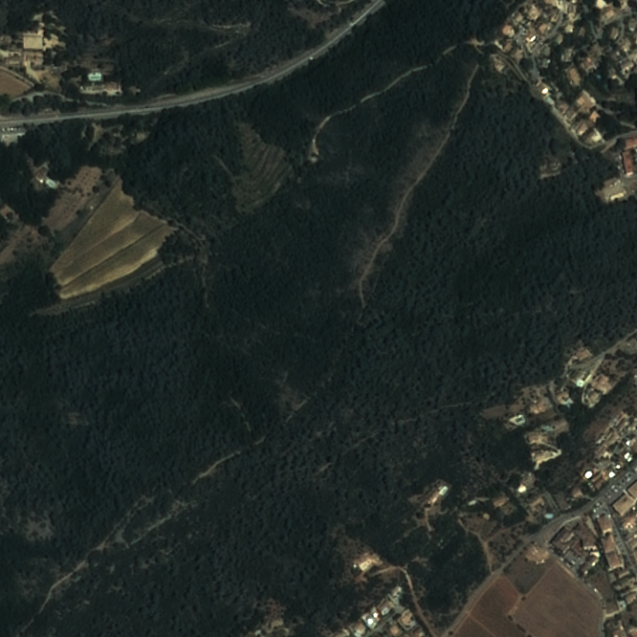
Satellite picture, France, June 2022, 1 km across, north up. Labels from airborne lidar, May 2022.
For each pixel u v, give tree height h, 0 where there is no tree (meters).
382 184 7
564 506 0
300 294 6
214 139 20
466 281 16
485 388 11
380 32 12
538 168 23
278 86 8
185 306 12
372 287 7
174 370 18
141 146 12
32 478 14
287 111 7
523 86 7
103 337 14
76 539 15
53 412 6
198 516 6
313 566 6
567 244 10
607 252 18
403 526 6
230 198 9
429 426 16
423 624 7
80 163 15
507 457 17
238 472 6
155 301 9
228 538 12
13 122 0
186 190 11
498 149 16
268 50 21
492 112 20
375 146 7
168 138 24
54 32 14
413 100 6
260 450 11
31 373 10
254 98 13
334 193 8
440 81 6
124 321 15
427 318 6
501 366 23
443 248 22
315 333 9
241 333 7
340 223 7
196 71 16
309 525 13
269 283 10
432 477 9
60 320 6
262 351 8
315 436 20
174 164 11
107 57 20
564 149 25
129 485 14
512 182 28
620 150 14
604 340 18
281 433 9
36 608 6
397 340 19
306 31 9
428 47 8
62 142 17
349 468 8
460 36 8
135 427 15
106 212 0
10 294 6
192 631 6
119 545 10
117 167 16
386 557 7
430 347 18
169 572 22
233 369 12
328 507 6
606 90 7
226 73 14
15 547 8
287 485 13
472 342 9
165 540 6
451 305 23
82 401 8
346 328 10
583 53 12
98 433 13
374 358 21
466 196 8
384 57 9
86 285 0
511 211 7
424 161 0
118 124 14
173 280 12
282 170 0
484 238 14
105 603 7
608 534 7
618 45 15
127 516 8
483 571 7
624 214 17
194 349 9
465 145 19
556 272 7
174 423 15
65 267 0
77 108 14
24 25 18
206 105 17
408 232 11
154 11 20
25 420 8
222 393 15
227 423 11
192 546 8
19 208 13
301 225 13
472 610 0
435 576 6
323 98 7
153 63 15
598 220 20
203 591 7
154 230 0
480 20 16
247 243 7
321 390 9
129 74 22
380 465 13
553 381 23
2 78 0
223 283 9
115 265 0
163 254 8
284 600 12
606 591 0
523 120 24
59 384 8
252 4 18
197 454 9
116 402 13
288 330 7
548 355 23
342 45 17
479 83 6
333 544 7
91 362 17
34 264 6
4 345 17
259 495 16
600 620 0
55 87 0
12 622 8
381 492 20
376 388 17
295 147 7
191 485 13
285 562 7
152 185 10
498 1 6
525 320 6
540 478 11
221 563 9
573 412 8
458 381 10
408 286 18
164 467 17
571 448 7
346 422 29
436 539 7
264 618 13
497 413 0
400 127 7
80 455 6
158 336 25
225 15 9
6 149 16
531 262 14
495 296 17
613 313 8
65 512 6
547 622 0
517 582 0
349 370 19
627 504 0
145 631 6
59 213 0
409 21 10
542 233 11
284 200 9
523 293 16
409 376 8
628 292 20
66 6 14
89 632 9
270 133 11
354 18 13
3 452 5
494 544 6
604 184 7
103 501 17
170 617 6
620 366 7
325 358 7
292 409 8
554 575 0
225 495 9
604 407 7
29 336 13
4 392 17
